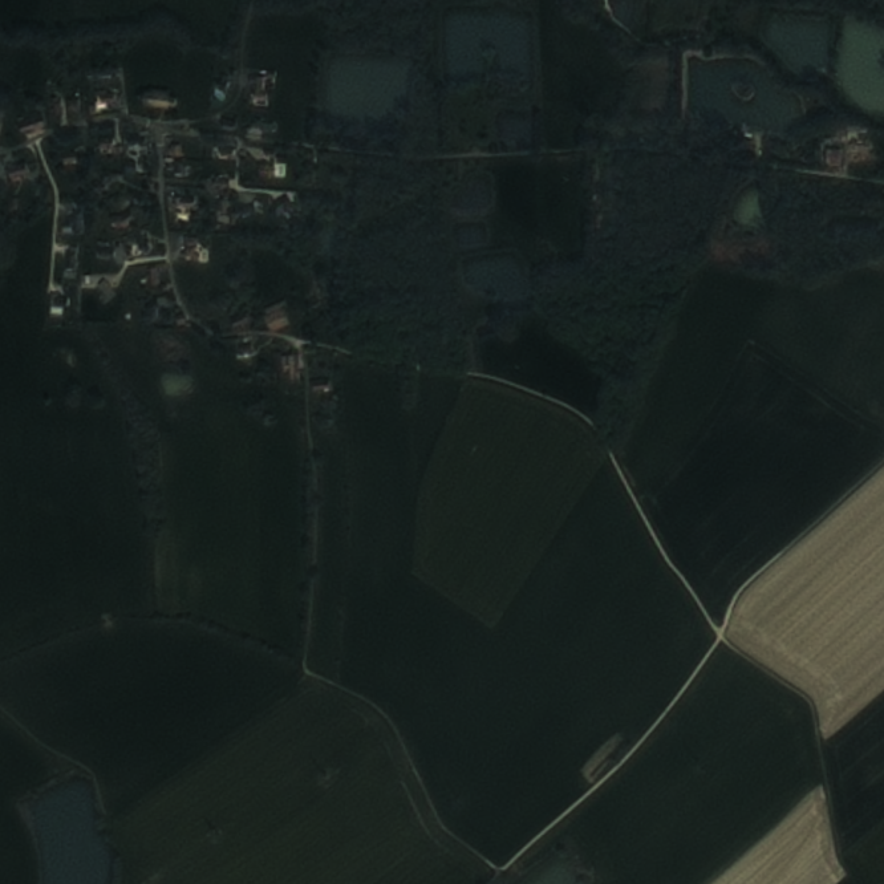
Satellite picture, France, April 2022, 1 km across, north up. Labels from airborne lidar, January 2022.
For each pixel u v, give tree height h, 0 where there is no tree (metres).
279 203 0
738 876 0
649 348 24
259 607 0
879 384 0
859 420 0
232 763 0
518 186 0
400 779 0
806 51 0
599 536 0
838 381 0
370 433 0
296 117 0
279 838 0
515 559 0
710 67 0
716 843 0
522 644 0
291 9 18
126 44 12
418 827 0
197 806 0
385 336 26
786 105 0
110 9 0
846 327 0
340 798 0
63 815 0
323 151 9
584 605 0
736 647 0
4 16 0
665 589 0
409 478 0
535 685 0
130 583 0
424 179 22
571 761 0
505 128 0
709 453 0
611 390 21
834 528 0
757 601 0
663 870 0
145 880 0
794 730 0
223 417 0
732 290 0
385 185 23
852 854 0
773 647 0
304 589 12
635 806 0
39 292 0
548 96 0
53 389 0
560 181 0
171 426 0
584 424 0
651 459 0
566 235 0
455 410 0
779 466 0
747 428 0
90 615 0
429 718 0
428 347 20
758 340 0
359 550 0
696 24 11
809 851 0
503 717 0
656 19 0
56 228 0
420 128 22
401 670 0
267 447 0
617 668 0
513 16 0
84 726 0
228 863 0
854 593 0
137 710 0
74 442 0
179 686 0
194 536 0
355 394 0
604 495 0
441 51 0
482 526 0
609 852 0
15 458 0
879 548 0
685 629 0
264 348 0
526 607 0
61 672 0
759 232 23
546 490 0
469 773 0
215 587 0
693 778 0
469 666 0
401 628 0
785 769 0
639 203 20
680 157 25
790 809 0
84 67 6
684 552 0
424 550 0
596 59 0
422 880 0
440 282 20
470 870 0
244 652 0
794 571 0
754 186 0
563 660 0
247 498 0
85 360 0
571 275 20
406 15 22
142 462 15
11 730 0
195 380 0
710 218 27
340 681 0
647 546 0
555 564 0
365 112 0
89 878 0
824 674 0
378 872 0
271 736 0
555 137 0
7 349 0
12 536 0
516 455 0
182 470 0
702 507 0
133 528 0
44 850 0
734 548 0
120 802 0
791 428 0
